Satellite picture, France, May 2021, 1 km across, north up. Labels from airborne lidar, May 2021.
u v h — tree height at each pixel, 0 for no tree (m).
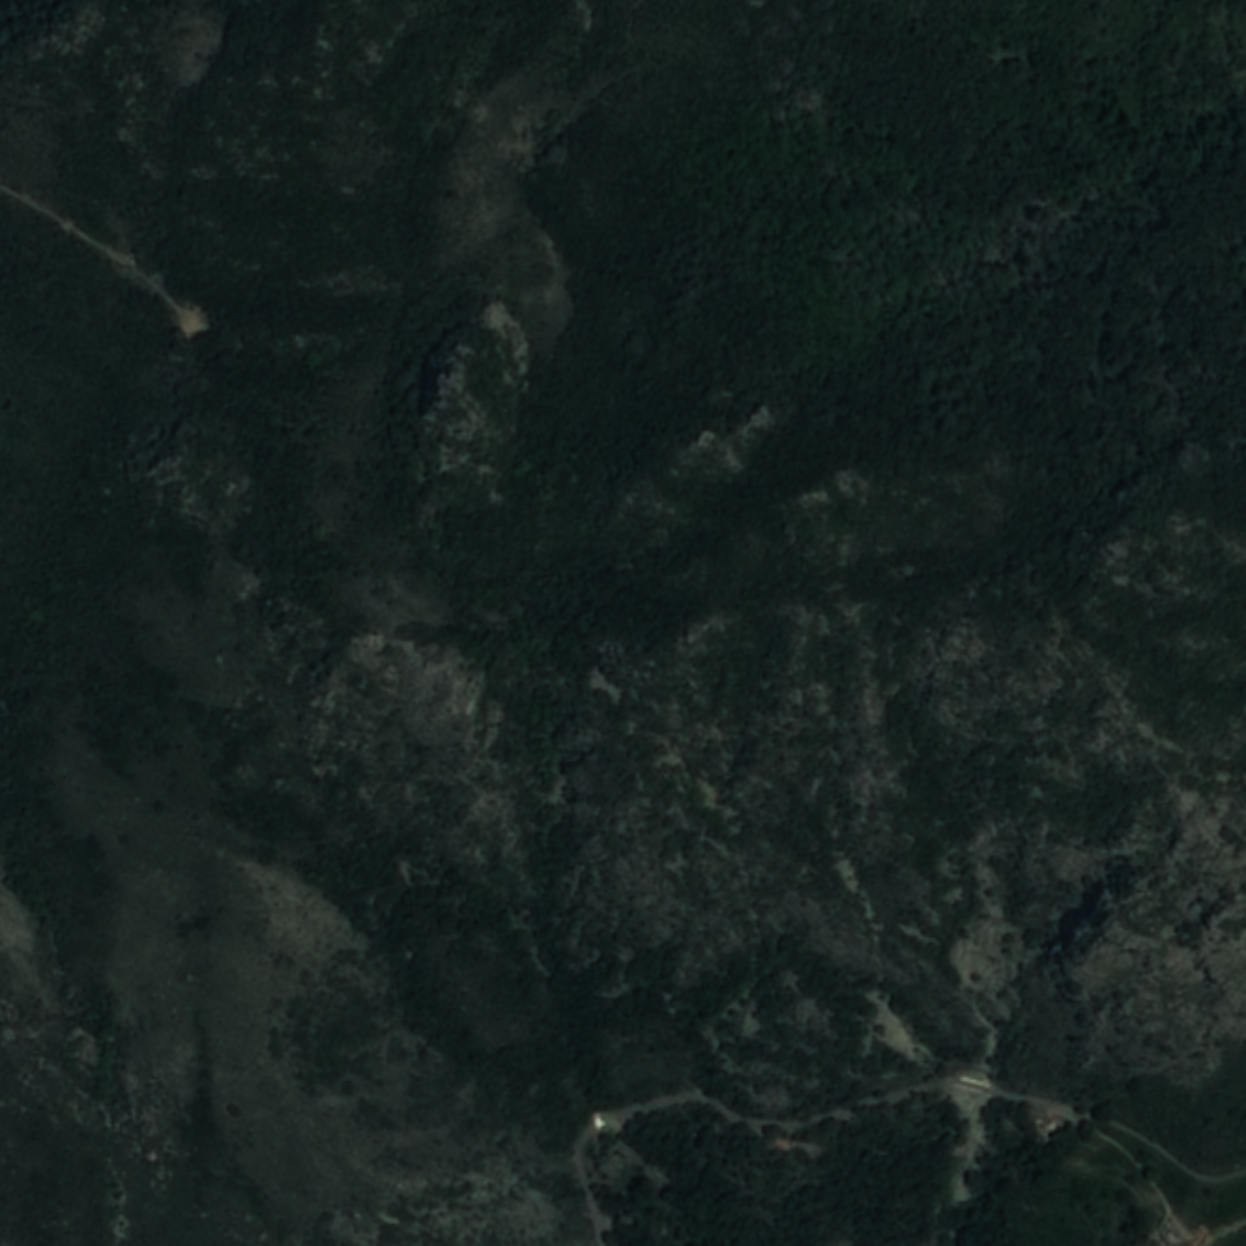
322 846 9
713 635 9
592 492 6
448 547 11
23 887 16
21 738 7
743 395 12
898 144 20
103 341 9
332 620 6
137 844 0
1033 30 10
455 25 11
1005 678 6
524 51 6
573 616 15
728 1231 10
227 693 0
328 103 8
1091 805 10
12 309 6
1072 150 21
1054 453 17
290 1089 0
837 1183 10
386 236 6
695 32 7
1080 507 9
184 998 0
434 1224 0
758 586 6
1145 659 13
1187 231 22
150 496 7
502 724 9
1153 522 10
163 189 6
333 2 6
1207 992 0
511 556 10
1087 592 7
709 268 12
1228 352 17
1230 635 10
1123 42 10
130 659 6
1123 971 0
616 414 6
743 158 20
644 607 14
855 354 11
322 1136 0
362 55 7
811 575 7
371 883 8
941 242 20
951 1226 7
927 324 14
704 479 12
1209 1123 10
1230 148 17
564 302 0
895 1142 6
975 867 6
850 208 24
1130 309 19
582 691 9
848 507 9
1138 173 13
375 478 9
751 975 11
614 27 7
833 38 13
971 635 0
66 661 7
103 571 7
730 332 12
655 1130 7
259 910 0
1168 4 11
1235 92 13
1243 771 10
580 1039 12
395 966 8
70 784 0
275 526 7
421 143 10
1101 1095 8
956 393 24
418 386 9
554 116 7
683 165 16
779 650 7
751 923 7
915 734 10
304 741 9
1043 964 8
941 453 14
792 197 19
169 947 0
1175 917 0
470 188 0
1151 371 18
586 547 6
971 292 19
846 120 12
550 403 8
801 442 12
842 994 7
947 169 23
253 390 9
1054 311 26
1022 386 23
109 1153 8
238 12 12
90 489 6
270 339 8
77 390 6
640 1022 9
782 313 12
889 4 12
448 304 7
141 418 6
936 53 14
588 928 10
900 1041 0
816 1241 7
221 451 11
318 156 6
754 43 10
